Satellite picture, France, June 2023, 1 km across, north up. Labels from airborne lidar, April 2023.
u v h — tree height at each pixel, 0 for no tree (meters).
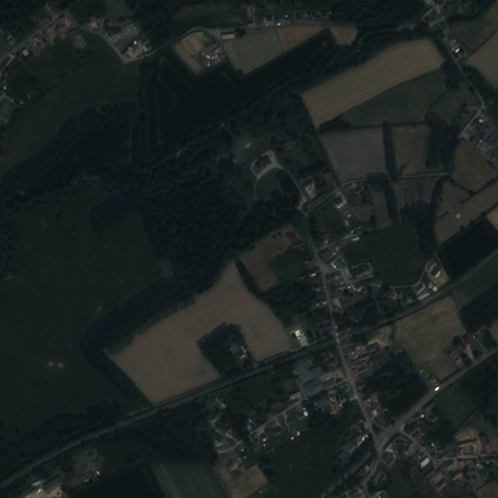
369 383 12
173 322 0
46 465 8
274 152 0
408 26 0
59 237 0
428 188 0
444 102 0
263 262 0
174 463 0
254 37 0
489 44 0
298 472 0
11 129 0
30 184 0
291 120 30
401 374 19
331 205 0
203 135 21
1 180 0
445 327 0
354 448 0
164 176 25
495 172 0
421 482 0
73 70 0
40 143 0
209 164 0
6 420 0
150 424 0
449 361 0
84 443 16
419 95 0
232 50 0
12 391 0
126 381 33
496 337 0
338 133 0
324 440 0
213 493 0
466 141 0
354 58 7
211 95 0
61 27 0
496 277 0
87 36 0
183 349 0
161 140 0
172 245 27
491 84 0
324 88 0
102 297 0
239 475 0
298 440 0
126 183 15
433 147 0
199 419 10
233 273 0
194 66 0
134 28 0
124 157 0
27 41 0
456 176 0
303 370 0
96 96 0
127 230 0
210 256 18
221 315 0
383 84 0
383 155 0
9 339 0
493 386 30
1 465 0
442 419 0
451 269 0
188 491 0
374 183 31
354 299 0
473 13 8
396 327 0
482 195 0
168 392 0
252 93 0
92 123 28
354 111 0
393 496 0
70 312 0
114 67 0
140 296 0
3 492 16
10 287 0
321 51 0
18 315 0
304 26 0
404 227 0
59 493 0
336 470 15
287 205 17
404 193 0
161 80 0
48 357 0
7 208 18
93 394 0
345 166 0
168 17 21
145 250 0
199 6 0
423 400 0
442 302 0
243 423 17
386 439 0
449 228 0
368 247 0
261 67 0
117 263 0
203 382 0
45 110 0
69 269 0
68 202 0
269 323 0
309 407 15
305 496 0
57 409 0
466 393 0
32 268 0
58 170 0
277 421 0
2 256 34
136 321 28
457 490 0
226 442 0
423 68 0
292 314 0
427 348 0
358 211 0
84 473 0
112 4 0
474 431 0
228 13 0
